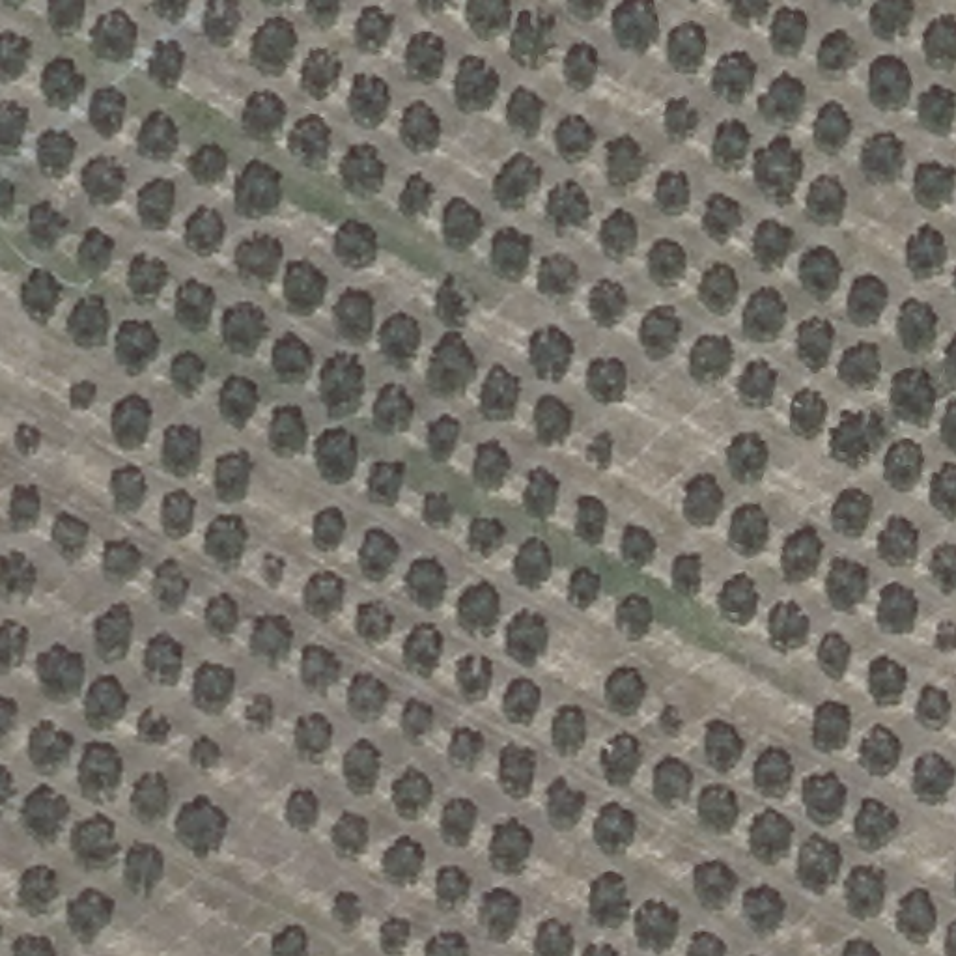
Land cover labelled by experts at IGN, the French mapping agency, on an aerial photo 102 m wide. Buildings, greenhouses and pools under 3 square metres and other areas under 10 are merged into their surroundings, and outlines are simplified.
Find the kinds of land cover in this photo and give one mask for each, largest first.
<instances>
[{"label":"deciduous trees","instance_id":"1","mask_svg":"<svg viewBox=\"0 0 956 956\"><path fill-rule=\"evenodd\" d=\"M37 15L49 11L56 30L78 26L86 0H22ZM157 15L183 19L190 30L202 26L205 37L217 45L232 41L239 26V0H153ZM422 11L444 7L452 26L471 19V26L482 37H493L497 30L508 34V52L523 67H538L549 52L553 30L571 22L575 15L594 19L601 0H418ZM612 34L624 49H650L657 34L654 0H620V7L612 11ZM878 37H896L907 30L911 0H878L870 11ZM392 34V15L381 7H362L355 22V41L362 52H377ZM773 49L799 52L807 37V11L780 7L769 26ZM93 52L108 60L101 67V78L108 86L93 93L90 108L75 101L82 93V71L75 67V60L56 56L41 67L30 60V41L22 34H0V149H19L26 164L37 157L41 168L60 176L52 183L49 202H37L30 209L26 228L30 239L41 246L56 243L67 232V217L60 209L78 190H86L93 202H112L116 213L127 217L138 209L142 224L164 228L176 209V183L149 179L138 190V205H131L120 198L127 172L116 157H93L78 179L67 172L75 157V138L67 131H45L37 138V149L22 146V131L30 120L26 101L41 90L52 105H67L71 120L90 116V123L101 134H112L116 149L138 146V153L146 157H172L179 131L176 120L164 112H149L146 120L127 116V97L120 93V86L146 67L157 82H176L179 93L209 105L220 116L243 112V127L254 138L273 131L276 153L291 146L302 157H325L332 131L321 116H302L291 138L280 134L276 127L284 120V101L276 93L258 90L243 101L239 93L209 78L190 75L183 67V49L176 41H161L153 52L142 49L138 26L127 11H108L93 26ZM930 63H956V19H934L922 34ZM295 49V26L291 19H265L250 41V56L258 71L280 75ZM706 56V26L680 22L668 34V60L676 71H695ZM851 37L844 30H833L818 45V67L848 71ZM403 60L422 82H429L441 75L444 41L437 34H415L407 41ZM564 75L571 86H590L601 101L639 120L665 112V127L676 138H687L698 127V112L683 97L661 105L657 97L620 78L598 75L594 45H571ZM340 78V60L329 49H314L302 63V86L314 97H325L329 86ZM754 82V60L747 52H728L713 71V90L728 101H739ZM497 93V71L482 56H463L456 75L459 108H489ZM874 105L900 108L904 120L919 116L922 127H930L934 134H945L956 116V93L945 86H930L919 101V112L904 108L911 71L900 56H878L866 78ZM347 105L355 120L381 123L388 108V82L377 75H355ZM758 112L777 123V138L762 146L754 157V179L777 205L792 202V190L803 172V153L795 149L799 138L814 134L822 149H840L851 134V116L840 105H822L818 116L807 112L803 82L795 75H780L758 101ZM545 105L534 90H515L508 101V123L523 134H534ZM400 134L411 149H433L441 138V120L429 105L415 101L403 108ZM594 146V127L583 116H564L556 123V149L564 157L583 161ZM751 131L739 120H728L713 134V157L721 161V168H736L743 161ZM904 164V142L889 131H878L863 146V172L885 183L896 179ZM646 168L642 146L620 134L605 149V176L612 187H635ZM228 164V153L217 142H205L190 153V172L202 183H217ZM347 190H377L385 183L381 153L373 146H351L340 164ZM541 179L534 157L515 153L500 164L493 179L497 202L508 209L523 205ZM239 213H276L280 168L265 161H246L235 179ZM956 179V168L937 161L915 168V198L922 205H941ZM691 194L687 176L661 172L654 202L665 213H680ZM433 187L422 176H407L403 183V213H422L418 220L426 232L444 228L448 246H471L478 261L493 258L497 273L512 280H519L523 291L541 288L549 295H568L575 317H586L594 310L601 325H612L627 340L639 332L654 359H665L680 336V317L672 314V306H657L646 317H639L635 310H627V291L616 280H601L594 291L583 288L579 265L564 254H549L541 261L538 280L527 276L523 269L530 258V235L504 228L493 235L489 250L485 243H478L482 213L463 198H452L444 205L441 220L429 217L426 205ZM848 205L844 183L837 176H818L807 209L818 224L840 220ZM553 228H575L590 217L586 190L575 179H568L549 194L545 205ZM702 224L710 235L724 239L739 224V202L728 194H710ZM183 239L198 254H213L217 265H232L228 254L217 250L224 239L220 209L202 205L187 217ZM601 246L612 258H624L635 246V217L627 209H616L601 224ZM332 246L344 261L366 265L377 261V232L362 220H344L336 228ZM792 250V228L762 220L754 232V254L766 269H777ZM78 261L86 269H105L108 288L131 280L134 295H157L153 306L161 317L176 310L183 325L205 329L213 310L209 284L183 280L176 291L164 284V261L138 254L131 258V265H123L112 258V235L90 228L78 243ZM945 261V235L937 228H919L907 239V265L915 276H930ZM239 276L269 280V299L288 295V306L295 314H310L325 295V273L314 261H295L276 235H250L235 246ZM646 265L657 284H668L683 273L687 254L676 239H657L650 246ZM840 276V258L829 246H814L799 261V280L814 295H829ZM736 269L713 261L698 284V295L713 310L724 314L736 291ZM19 299L22 310L37 321L52 314L60 284L52 273L34 269L19 288ZM437 310L444 317V336L433 347L426 377L437 396L463 392L474 373L478 359L463 336L467 314L456 291V276H444L441 284ZM889 288L878 276H859L848 295V310L859 325H870L885 306ZM336 329L347 340H366L373 321L370 291H344L332 314ZM788 310L777 288H758L751 299L743 314V329L751 340L777 336L784 321ZM67 329L75 344L93 347L108 329V306L105 295H86L75 302ZM900 340L911 351L930 347L937 332V314L930 302L907 299L896 321ZM422 332L418 317L411 314L385 317L381 344V351L392 362L411 359ZM833 347V325L825 317H810L799 329V359L810 370H822L825 362ZM161 340L153 321H123L116 336V359L131 373H138L157 355ZM530 362L538 377H564L571 366V336L553 325L530 332ZM254 366L261 370L273 362L280 377H302V396H314L321 388L325 407L359 403L355 415L362 422L373 418L385 433L400 429L411 448L429 444L433 456L448 459L459 441V422L448 415L433 418L422 437L407 426L415 407L403 385H381L377 396L366 392L362 362L355 355H329L321 381L310 377L306 370L314 347L295 332L280 336L276 347L258 340V347L250 351ZM732 362V344L724 336H698L695 344L687 362L691 377L717 381ZM829 452L833 459L851 467H859L866 456L881 459L885 478L896 489H911L919 482L930 489L934 508L956 519V336L949 340L945 362H934L930 370H900L893 381L889 403H881L878 411H848L840 418ZM878 344H851L840 359V377L855 388L874 385L878 373ZM168 377L179 392L190 396L205 377V359L198 351H179L172 359ZM590 392L605 403L624 400V359H594L586 366ZM519 403V377L504 362H497L485 377L478 407L485 418H512ZM777 370L769 362H747L739 377V396L747 400V407H769ZM217 400L224 418L243 426L258 407V381L235 373L224 377ZM825 418V400L803 388L792 396V426L799 437H814ZM153 411L146 396H123L112 407V433L116 444L131 448L146 441ZM538 441H564L571 433V407L560 396H541L534 407ZM273 448L314 456L329 482H347L359 463V437L351 429H310L302 407L291 403L273 411ZM164 467L176 474H190L202 456V433L194 426H168L161 448ZM769 463V448L758 433H736L728 444V467L743 482H758ZM512 463L497 441H482L474 448L471 474L482 485H500ZM254 459L246 452H224L213 471L217 497H246ZM373 500L396 504L400 515L422 512L429 523L452 519L444 493L418 497L403 489V463L381 459L370 467L366 485ZM108 485L116 508H138L149 530L164 523V530L183 538L187 549L198 553L205 545L220 564H235L250 583L261 575L273 579L284 601L302 598L310 612L336 616L344 631L359 627V635L377 639L385 654L403 650V661L418 676L433 672L448 687L459 680L467 695V702L459 706V721L467 728L452 732L448 754L467 766H478V724L485 721V713L500 706L512 721H530L538 713L541 687L534 680H512L508 687L497 683L493 661L482 654L463 657L459 668H452L441 661L444 635L437 624H415L403 639L392 631L396 616L385 601H362L355 609L344 601V579L336 571H314L306 579L299 568H284V560L273 553H265V560L250 556L243 515H217L205 527L194 519V497L187 489L164 493V504H157L146 497L142 467L127 463L112 474ZM560 482L549 471H530L523 500L530 515H549L553 527H579L586 541L601 538L605 504L598 497H579V508L560 504ZM724 493L713 474H695L683 485V512L691 523L706 527L717 519ZM7 508L11 527L26 530L37 523L41 493L37 485H15V493L0 489V512ZM874 512L870 497L863 489H844L833 500V523L844 534H863ZM728 538L739 545V553H762L769 538V515L762 504H739ZM314 541L317 549H336L344 541V512L325 508L314 515ZM90 523L71 512L56 515V549L63 556H78L86 571L101 568L105 575L127 579L131 601L153 590L164 609H179L190 594L183 564L161 560L157 571H142V549L127 538L105 541V556H97L86 549ZM467 538L478 553H489L493 571L515 568V579L523 586H538L545 598H560L568 590L579 605H590L594 620L609 624L616 616L631 635H646L654 627L650 598L627 594L616 605L609 594H601V579L594 568H575L568 575L564 568H553L549 541L527 538L515 549L504 541V523L485 515L471 519ZM878 549L889 564H907L919 549V527L896 515L885 523ZM822 556L818 527L807 523L784 538L780 549L788 583H803L807 575H814ZM400 545L388 530L373 527L362 538L359 564L370 579H385ZM620 553L646 564L654 560V534L646 527H624ZM934 579L945 590H956V545H937L930 560ZM37 583V568L22 553L0 556V586L7 594H30ZM698 553H683L672 560V579L687 594L698 590ZM448 586L444 564L437 556H422L407 568V594L418 605H441ZM870 571L859 560L840 556L829 568L825 590L837 609H855L866 594ZM702 605L721 601V609L739 616L743 624L754 616L758 605L751 575H732L717 598L698 590ZM459 624L471 631H493L500 594L493 583H474L459 594ZM878 620L889 631H911L919 620V598L911 586L889 583L881 590ZM205 624L213 635H232L239 624V601L232 594H217L205 601ZM97 650L127 654L131 601L112 605L93 620ZM810 624L795 601H780L769 612V639L777 650H792L807 639ZM250 650L265 661H280L291 650V624L288 616L265 612L250 627ZM508 654L515 661H538L549 646V635L541 612H519L508 624ZM30 631L19 620L0 624V668L22 661ZM818 661L829 676H844L851 661L848 639L840 631H829L818 646ZM146 672H157L164 683H176L183 668V642H176L172 635H153L142 657ZM302 683L329 687L340 676V657L329 646L310 642L299 665ZM37 680L49 698H67L82 680V654L52 646L37 657ZM728 661L773 683L777 691L807 702L814 710L810 736L822 751L844 747L851 710L844 702H829L814 683H803L799 672H780L743 650L736 646ZM866 683L878 702L889 706L904 695L907 668L893 657H878L870 661ZM202 710L224 706L232 721L250 717L265 728L273 724L269 695H258L254 702L239 698L235 672L205 661L198 665L190 687ZM605 695L616 713H635L646 698V680L635 665H620L605 676ZM351 713L362 721L381 717L388 706V683L373 672H359L347 687ZM127 691L120 676H97L86 695V721L101 728L116 724V739L86 743L78 762L82 792L120 784V739L142 732L153 743L168 739V721L153 710L138 717V724L123 717ZM915 713L919 721L945 724L952 713L949 695L926 683L919 691ZM400 728L411 739H422L433 728V706L422 698H407ZM586 739V713L583 706H560L553 717V743L556 751L571 754ZM332 743V721L325 713H306L295 721V747L306 758H321ZM75 736L45 721L30 732V758L34 766H60ZM706 758L717 769H732L743 754V736L728 721H710L702 739ZM863 766L885 773L889 788L915 784V792L926 803H941L956 777V769L945 754H922L915 766L904 762L900 736L889 724H874L859 751ZM642 743L635 732H620L612 736L609 751H601V769L605 780L627 784L639 769ZM381 769V751L370 739H359L344 754V773L355 792H370ZM497 777L512 795H527L534 784V751L504 747ZM792 780V754L784 747H762V754L754 758V784L762 792L784 795ZM695 773L683 758H661L654 769V795L668 807L687 795ZM433 784L422 769H407L392 784V799L403 814H418L429 807ZM172 788L164 773H142L131 792V807L142 822H153L168 810ZM803 803L810 818L837 822L844 807V784L837 773H814L803 784ZM545 807L560 829H568L579 822L586 795L568 780H553ZM739 814V795L728 784H710L698 795V818L706 829L728 833ZM67 814V799L52 788H34L22 803V822L37 840H52ZM288 822L310 829L317 822V795L310 788H295L288 795ZM176 829L194 855H209L220 848L228 833V814L213 799L198 795L179 810ZM478 810L471 799H448L441 829L448 840L467 844L474 855L489 851L497 870L508 874H519L527 866L534 833L523 822L512 818L489 829L474 822ZM900 818L881 799H863L855 814V837L866 840V848H881L896 837ZM601 851L627 848V855L639 863H654L665 855V848L650 840H635V810L605 803L594 822ZM792 822L780 810H762L751 822V851L762 863H773L788 851ZM71 848L78 863L101 866L116 855V822L108 814H93L75 825ZM332 844L344 855H359L366 870L385 866V874L400 885L418 881L426 859L422 840L400 837L385 851V859H377L366 851V818L340 814V822L332 825ZM840 870V844L829 837H807L799 851V881L810 889H825ZM164 874L161 848L131 844L123 874L127 885L153 889ZM691 878L706 907H721L732 896L736 870L721 859H706L695 866ZM56 896V870L30 866L19 878V904L37 915ZM471 893V874L463 866H441L437 900L463 904ZM848 907L851 915H874L885 900V870L855 866L844 889ZM594 922H635L642 945L668 949L680 926L676 907L661 900H627L620 874H601L590 881ZM743 911L754 930L769 934L784 922V896L769 885H754L743 900ZM112 922V896L101 889H82L67 904L63 926H52L45 937H15L11 956H56L67 952L78 937L93 941ZM478 915L493 930V937L504 941L519 922V896L512 889H489ZM937 907L930 889H911L900 900L896 926L907 937H926L934 956H956V922L949 926V934L934 926ZM332 911L340 915V922H351L362 934V941L381 937L385 952L400 956H471L467 937L459 930H444L422 945L411 937L407 919H359V896L336 893ZM538 956H571V926L560 919H545L534 934ZM273 956H306V930L284 926L273 934Z\"/></svg>","mask_w":956,"mask_h":956},{"label":"plowed land","instance_id":"2","mask_svg":"<svg viewBox=\"0 0 956 956\"><path fill-rule=\"evenodd\" d=\"M373 280L370 291L373 321L366 340L381 344L385 317L411 314L418 317L422 332L411 359V377H426L433 347L444 336V317L437 310L441 284L392 254H377V261L366 265ZM751 299L736 291L724 314L713 310L702 317V329L710 336H724L732 344V362L717 381L691 377L687 362L695 344L680 336L665 359H654L639 332L627 340L612 325H601L594 310L586 317H575L568 295H549L541 288L523 291L519 280H512L489 306L467 314L463 336L478 359L474 373L463 392L437 396L415 407L407 426L422 437L433 418L448 415L459 422V441L448 459L452 471L471 474L474 448L482 441H497L512 463L500 485V500H523L530 471H549L560 482V504L579 508V497H598L605 504L601 538L609 556L620 553L624 527H646L654 534V560L646 564L650 579H672V560L683 553H698V590L717 598L732 575H751L758 605L754 616L743 624V650L780 672H799L803 683H814L829 702H844L851 710L844 747L822 751L810 736L814 710L807 702L777 691L773 683L728 661L721 654L691 646L672 627H654L646 635H631L616 616L609 624L594 620L586 631L549 635V646L538 661L534 680L541 687L538 713L530 721H512L500 706L485 713V721L478 724V766H467L448 754L452 732L467 728L459 721V706L467 702V695L459 680L448 687L433 672L418 676L403 661V650L385 654L377 639L359 635V627L344 631L336 616L310 612L302 598L284 601L273 579L261 575L250 583L235 564H220L205 545L198 553L187 549L183 538L164 530V523L149 530L138 508H116L108 485L112 474L71 448L37 444L34 452H26L15 437L0 444V489L15 493V485H37L41 493L37 523L26 530L11 527L7 508L0 512V556L22 553L37 568V583L30 594H7L0 586V624L19 620L30 631L22 661L0 668V956H11L15 937H45L52 926H63L67 904L82 889H101L112 896V922L93 941L78 937L67 952L56 956H273V934L284 926L306 930V956H400L385 952L381 937L362 941V934L351 922H340V915L332 911L336 893L359 896V919H407L411 937L422 945L444 930H459L467 937L471 956H538L534 934L545 919H560L571 926V956H934L926 937H907L896 926L900 900L911 889H930L937 907L934 926L949 934V926L956 922V777L941 803H926L915 792V784L889 788L885 773L863 766L859 751L874 724H889L900 736L904 762L915 766L922 754H945L956 769V590H945L934 579L930 560L937 545H956V519L934 508L930 489L919 482L911 489H896L885 478L881 459L866 456L859 467H851L833 459L829 452L840 418L848 411H878L881 403H889L893 381L878 373L874 385L855 388L840 377V370L825 362L822 370H810L799 359V329L784 321L777 336L751 340L743 329V314ZM553 325L571 336V366L564 377H538L530 362V332ZM594 359H624V400L605 403L590 392L586 366ZM497 362H504L519 377V403L512 418H485L478 407L485 377ZM747 362H769L777 370L769 407H747V400L739 396V377ZM803 388L825 400V418L814 437H799L792 426V396ZM541 396H560L571 407V433L564 441H538L534 407ZM736 433H758L769 448V463L758 482H743L728 467V444ZM695 474H713L724 493L717 519L706 527L691 523L683 512V485ZM844 489H863L870 497L874 512L863 534H844L833 523V500ZM739 504H762L769 515V538L762 553H739V545L728 538ZM71 512L90 523L86 549L97 556H105V541L127 538L142 549V571H157L161 560L183 564L190 594L179 609H164L153 590L131 601L127 579L105 575L101 568L86 571L78 556H63L56 549V515ZM896 515L919 527V549L907 564H889L878 549L885 523ZM807 523L818 527L822 556L814 575H807L803 583H788L780 549L784 538ZM840 556L859 560L870 571L866 594L855 609H837L825 590L829 568ZM889 583L911 586L919 598V620L911 631H889L878 620L881 590ZM217 594H232L239 601V624L232 635H213L205 624V601ZM131 601L127 654L97 650L93 620L112 605ZM780 601H795L810 624L807 639L792 650H777L769 639V612ZM265 612L288 616L291 624V650L280 661H265L250 650V627ZM829 631H840L848 639L851 661L844 676H829L818 661V646ZM153 635H172L176 642H183V668L176 683H164L157 672H146L142 657ZM310 642L329 646L340 657V676L329 687L302 683L299 665ZM52 646L82 654V680L67 698H49L37 680V657ZM878 657H893L907 668L904 695L889 706L878 702L866 683L870 661ZM205 661L235 672L239 698L254 702L258 695H269L273 724L265 728L250 717L232 721L224 706L202 710L190 687L198 665ZM620 665H635L646 680V698L635 713H616L605 695V676ZM359 672H373L388 683V706L381 717L362 721L351 713L347 687ZM97 676H120L127 691L123 717L138 724V717L153 710L168 721V739L153 743L142 732L120 739V784L82 792L78 762L86 743L116 739V724L101 728L86 721V695ZM926 683L949 695L952 713L945 724L919 721L915 713L919 691ZM407 698H422L433 706V728L422 739H411L400 728ZM560 706H583L586 713V739L571 754L556 751L553 743V717ZM306 713H325L332 721V743L321 758H306L295 747V721ZM45 721L75 736L60 766H34L30 758V732ZM710 721H728L743 736V754L732 769H717L706 758L702 739ZM620 732H635L642 743L639 769L627 784L605 780L601 769V751H609L612 736ZM359 739H370L381 751V769L370 792H355L344 773V754ZM504 747L534 751V784L527 795H512L497 777ZM762 747H784L792 754V780L784 795L762 792L754 784V758L762 754ZM661 758H683L695 773L687 795L668 807L654 795V769ZM407 769H422L433 784L429 807L418 814H403L392 799V784ZM142 773H164L172 788L168 810L153 822H142L131 807V792ZM814 773H837L844 784V807L837 822L810 818L803 803V784ZM553 780H568L586 795L579 822L568 829H560L545 807ZM710 784H728L739 795V814L728 833L706 829L698 818V795ZM34 788H52L67 799V814L52 840H37L22 822V803ZM295 788H310L317 795V822L310 829L288 822V795ZM198 795L213 799L228 814V833L220 848L209 855H194L176 829L179 810ZM448 799H471L478 810L474 822L489 829L512 818L523 822L534 833L527 866L519 874H508L497 870L489 851L474 855L467 844L448 840L441 829ZM863 799H881L900 818L896 837L881 848H866V840L855 837V814ZM605 803L635 810V840H650L665 848V855L654 863H639L627 855V848L601 851L594 822ZM762 810H780L792 822L788 851L773 863H762L751 851V822ZM93 814H108L116 822V855L101 866L78 863L71 848L75 825ZM340 814L366 818V851L377 859H385V851L400 837L422 840L426 859L418 881L400 885L385 874V866L366 870L359 855H344L332 844V825L340 822ZM807 837H829L840 844V870L825 889H810L799 881V851ZM131 844L161 848L164 874L153 889L127 885L123 874ZM706 859H721L736 870L732 896L721 907H706L691 878L695 866ZM30 866L56 870V896L37 915L19 904V878ZM441 866H463L471 874V893L463 904L437 900ZM855 866L885 870V900L874 915H851L848 907L844 889ZM601 874H620L627 900H661L676 907L680 926L668 949L642 945L635 922H594L590 881ZM754 885H769L784 896V922L769 934L754 930L743 911V900ZM489 889H512L519 896V922L504 941L493 937V930L478 915Z\"/></svg>","mask_w":956,"mask_h":956},{"label":"herbaceous vegetation","instance_id":"3","mask_svg":"<svg viewBox=\"0 0 956 956\"><path fill-rule=\"evenodd\" d=\"M657 34L650 49H624L612 34V11L620 7V0H601L594 19L575 15L571 22L553 30L549 52L538 67H523L508 52V34L497 30L493 37H482L471 26V19L452 26L444 7L422 11L418 0H239V26L232 41L217 45L205 37L202 26L190 30L183 19L157 15L153 0H86L78 26L56 30L49 11L37 15L22 0H0V34H22L30 41V60L41 67L56 56L75 60V67L82 71V93L75 101L90 108L93 93L108 86L101 78V67L108 60L93 52V26L108 11H127L138 26L142 49L153 52L161 41H176L183 49V67L190 75L209 78L239 93L243 101L258 90L276 93L284 101V120L276 127L280 134L291 138L302 116H321L332 131L325 157H302L291 146L276 153L273 131L254 138L243 127V112L220 116L209 105L179 93L176 82H157L146 67L120 86V93L127 97V116L146 120L149 112H164L176 120L179 131L172 157H146L138 153V146L116 149L112 134H101L90 123V116L71 120L67 105H52L41 90L26 101L30 120L22 131V146L37 149V138L45 131H67L75 138V157L67 172L78 179L93 157H116L127 172L120 198L131 205H138V190L149 179L176 183V209L164 228L142 224L138 209L127 217L116 213L112 202H93L86 190H78L60 209L67 217V232L56 243L41 246L30 239L26 228L30 209L37 202H49L52 183L60 176L41 168L37 157L26 164L19 149H0V444L15 437L26 452H34L37 444L71 448L112 474L127 463L142 467L146 497L157 504H164V493L187 489L194 497V519L205 527L217 515H243L250 556L265 560V553H273L284 560V568H299L306 579L314 571H336L344 579V601L355 609L362 601H385L396 616L392 631L403 639L415 624H437L444 635L441 661L452 668H459L463 657L482 654L493 661L497 683L508 687L512 680H534L538 661H515L508 654V624L519 612H541L549 635L586 631L594 620L590 605H579L568 590L560 598H545L538 586H523L515 579V568L493 571L489 553H478L467 538L471 519L485 515L504 523V541L515 549L527 538L549 541L553 568H564L568 575L575 568H594L601 579V594H609L616 605L627 594L650 598L654 627H672L691 646L721 654L728 661L736 646L743 650V624L739 616L721 609V601L702 605L698 590L687 594L672 579H650L646 564L620 553L609 556L601 538L586 541L579 527H553L549 515H530L523 500H500V485H482L471 474L452 471L448 459L433 456L429 444L411 448L400 429L385 433L373 418L362 422L355 415L359 403L325 407L321 388L314 396H302V377H280L273 362L261 370L254 366L250 351L258 347V340L276 347L280 336L295 332L314 347L306 370L310 377L321 381L329 355H355L362 362L366 392L377 396L381 385H403L415 407L437 396L426 377H411V359L392 362L381 351V344L366 340H347L336 329L332 314L344 291H370L373 280L366 265L344 261L332 246L336 228L344 220H362L377 232V254H392L441 284L444 276H456V291L467 314L489 306L512 280L497 273L493 258L478 261L471 246H448L444 228L426 232L418 220L422 213H403V183L407 176H422L433 187L426 205L429 217L441 220L444 205L452 198H463L482 213L478 243H485L489 250L493 235L504 228L530 235V258L523 269L527 276L538 280L541 261L549 254H564L579 265L583 288L594 291L601 280H616L627 291V310H635L639 317H646L657 306H672V314L680 317V336L695 344L698 336H710L702 329V317L713 310L698 295V284L713 261L736 269V291L751 299L758 288H777L788 310L784 321L799 329L810 317H825L833 325V347L825 362L840 370V359L851 344H878V373L893 381L900 370H930L934 362H945L949 340L956 336V179L941 205H922L915 198V168L937 161L956 168V116L945 134H934L930 127H922L919 116L904 120L900 108L874 105L866 78L878 56H900L911 71L904 108L919 112V101L930 86H945L956 93V63H930L922 34L934 19H956V0H911L907 30L896 37H878L870 11L878 0H654ZM362 7H381L392 15V34L377 52H362L355 41V22ZM780 7L807 11V37L799 52L773 49L769 26ZM265 19H291L295 26V49L280 75L258 71L250 56V41ZM680 22L706 26V56L695 71H676L668 60V34ZM833 30H844L851 37L848 71L818 67V45ZM415 34H437L444 41L441 75L429 82H422L403 60L407 41ZM571 45H594L598 75L620 78L657 97L661 105L683 97L698 112V127L687 138H676L665 127V112L639 120L601 101L590 86H571L564 75ZM314 49H329L340 60V78L329 86L325 97H314L302 86V63ZM728 52H747L754 60V82L739 101H728L713 90V71ZM463 56H482L497 71V93L489 108H459L456 75ZM355 75H377L388 82V108L381 123L355 120L347 105ZM780 75H795L803 82L807 112L818 116L822 105H840L851 116V134L840 149H822L814 134L799 138L795 149L803 153V172L792 190V202L777 205L754 179V157L762 146L777 138V123L758 112V101ZM515 90H534L545 105L534 134H523L508 123V101ZM415 101L429 105L441 120V138L433 149H411L400 134L403 108ZM564 116H583L594 127V146L583 161L564 157L556 149V123ZM728 120H739L751 131L743 161L736 168H721V161L713 157V134ZM878 131H889L904 142V164L896 179L885 183L863 172V146ZM620 134L642 146L646 168L635 187H612L605 176V149ZM205 142H217L228 153V164L217 183H202L190 172V153ZM351 146H373L381 153L385 183L377 190H347L340 164ZM515 153L534 157L541 179L523 205L508 209L497 202L493 179L500 164ZM246 161H265L280 168L276 213H239L235 179ZM661 172L687 176L691 194L680 213H665L654 202ZM818 176H837L844 183L848 205L840 220L818 224L807 209ZM568 179H575L586 190L590 217L575 228H553L545 205L549 194ZM710 194H728L739 202V224L724 239L710 235L702 224ZM202 205L220 209L224 239L217 250L228 254L232 265H217L213 254H198L183 239L187 217ZM616 209H627L635 217V246L624 258H612L601 246V224ZM762 220L792 228V250L777 269H766L754 254V232ZM90 228L112 235V258L123 265H131V258L138 254L164 261V284L176 291L183 280L209 284L213 310L205 329L183 325L176 310L161 317L153 306L157 295H134L131 280L108 288L105 269H86L78 261V243ZM919 228H937L945 235V261L930 276H915L907 265V239ZM250 235H276L295 261H314L325 273V295L310 314H295L288 306V295L269 299V280L239 276L235 246ZM657 239H676L687 254L683 273L668 284H657L646 265L650 246ZM814 246H829L840 258V276L829 295H814L799 280V261ZM34 269L52 273L60 284L52 314L37 321L22 310L19 299V288ZM859 276H878L889 288L885 306L870 325H859L848 310V295ZM86 295H105L108 306V329L93 347L75 344L67 329L75 302ZM907 299L930 302L937 314V332L930 347L911 351L900 340L896 321ZM123 321H153L161 340L157 355L138 373H131L116 359V336ZM179 351H198L205 359V377L190 396L179 392L168 377L172 359ZM235 373L258 381V407L243 426L224 418L217 400L224 377ZM123 396H146L153 411L146 441L131 448L116 444L112 433V407ZM291 403L302 407L310 429H351L359 437V463L347 482H329L314 456L273 448V411ZM168 426H194L202 433V456L190 474H176L164 467L161 448ZM224 452H246L254 459L246 497H217L213 471ZM381 459L403 463V489L418 497L444 493L452 519L429 523L422 512L400 515L396 504L373 500L366 485L370 467ZM325 508L344 512V541L336 549H317L314 541V515ZM373 527L388 530L400 545L385 579H370L359 564L362 538ZM422 556H437L444 564L448 586L441 605H418L407 594V568ZM474 583H493L500 594L493 631H471L459 624V594Z\"/></svg>","mask_w":956,"mask_h":956}]
</instances>
